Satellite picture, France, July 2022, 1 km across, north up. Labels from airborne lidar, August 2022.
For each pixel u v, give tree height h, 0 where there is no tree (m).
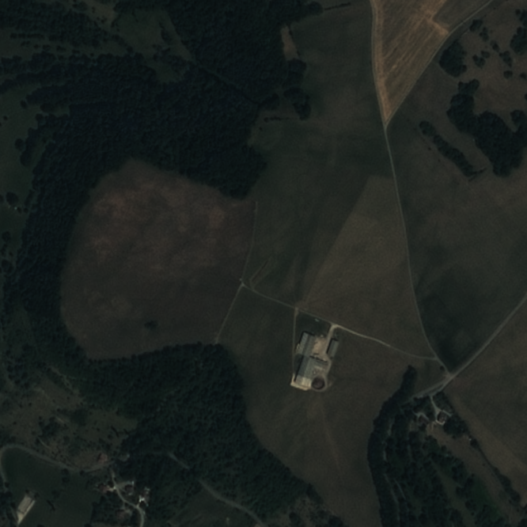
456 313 0
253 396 0
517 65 0
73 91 22
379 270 0
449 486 0
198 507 0
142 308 0
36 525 0
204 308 0
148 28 0
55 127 18
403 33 0
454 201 0
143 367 7
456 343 0
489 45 0
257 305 0
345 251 0
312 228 0
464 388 0
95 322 0
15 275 18
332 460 0
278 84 17
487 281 0
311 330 0
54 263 10
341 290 0
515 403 0
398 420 23
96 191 0
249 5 24
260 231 0
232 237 0
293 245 0
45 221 20
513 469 0
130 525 7
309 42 0
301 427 0
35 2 12
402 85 0
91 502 0
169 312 0
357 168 0
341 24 0
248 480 6
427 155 0
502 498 0
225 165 26
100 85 21
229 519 0
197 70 21
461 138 0
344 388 0
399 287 0
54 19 23
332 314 0
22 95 0
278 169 0
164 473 7
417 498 7
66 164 27
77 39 19
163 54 29
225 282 0
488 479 0
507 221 0
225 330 0
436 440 7
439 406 6
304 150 0
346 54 0
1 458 0
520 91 0
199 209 0
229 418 9
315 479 0
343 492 0
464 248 0
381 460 25
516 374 0
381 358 0
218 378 6
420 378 0
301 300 0
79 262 0
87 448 8
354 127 0
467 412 0
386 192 0
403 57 0
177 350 16
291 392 0
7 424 0
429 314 0
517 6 0
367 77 0
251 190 6
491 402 0
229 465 11
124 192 0
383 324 0
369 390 0
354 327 0
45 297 20
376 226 0
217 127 24
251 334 0
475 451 0
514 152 18
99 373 9
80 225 0
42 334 12
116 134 29
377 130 0
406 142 0
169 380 16
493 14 0
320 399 0
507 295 0
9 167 0
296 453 0
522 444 0
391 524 21
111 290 0
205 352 16
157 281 0
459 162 8
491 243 0
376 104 0
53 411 0
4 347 0
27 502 0
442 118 0
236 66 27
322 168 0
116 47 0
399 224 0
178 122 36
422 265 0
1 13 12
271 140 0
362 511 0
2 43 0
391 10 0
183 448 7
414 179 0
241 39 29
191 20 21
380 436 22
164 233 0
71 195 25
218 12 24
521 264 0
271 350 0
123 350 0
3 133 0
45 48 9
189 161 11
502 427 0
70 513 0
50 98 23
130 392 15
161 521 0
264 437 0
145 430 15
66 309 0
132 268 0
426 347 0
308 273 0
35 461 0
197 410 8
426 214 0
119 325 0
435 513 9
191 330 0
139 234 0
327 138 0
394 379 0
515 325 0
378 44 0
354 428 0
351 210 0
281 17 19
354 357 0
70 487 0
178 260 0
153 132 34
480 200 0
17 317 0
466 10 0
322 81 0
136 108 23
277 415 0
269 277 0
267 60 29
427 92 0
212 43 25
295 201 0
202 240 0
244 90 6
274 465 8
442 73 0
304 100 10
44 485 0
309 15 9
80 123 27
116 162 20
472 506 14
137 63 17
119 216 0
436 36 0
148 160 16
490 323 0
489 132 21
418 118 0
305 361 0
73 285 0
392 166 0
